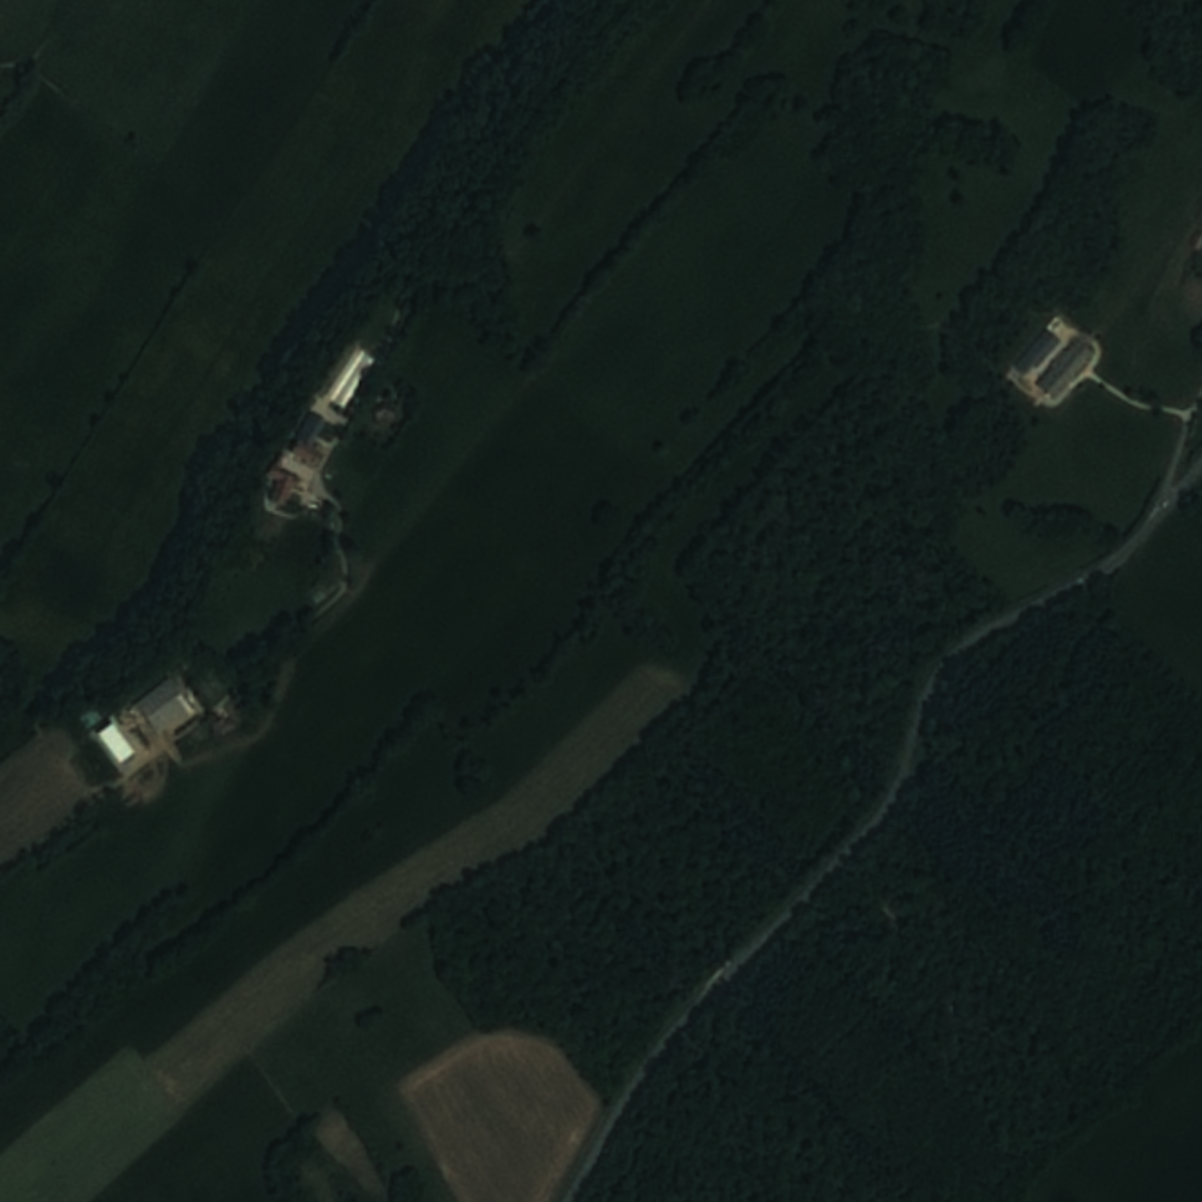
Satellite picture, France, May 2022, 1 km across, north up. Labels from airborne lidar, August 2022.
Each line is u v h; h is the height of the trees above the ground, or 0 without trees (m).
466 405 0
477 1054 0
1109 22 0
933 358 15
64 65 0
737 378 15
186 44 0
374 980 0
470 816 0
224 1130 0
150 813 0
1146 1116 0
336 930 0
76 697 23
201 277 8
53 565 0
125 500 0
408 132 0
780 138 0
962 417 20
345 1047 0
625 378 0
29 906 0
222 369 0
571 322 9
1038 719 17
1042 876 19
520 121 20
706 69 16
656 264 0
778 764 7
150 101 0
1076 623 16
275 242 0
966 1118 11
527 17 6
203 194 0
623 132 0
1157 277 0
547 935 19
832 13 0
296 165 0
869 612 21
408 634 0
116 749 0
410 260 25
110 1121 0
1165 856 8
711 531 19
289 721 0
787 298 0
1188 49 18
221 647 0
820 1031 11
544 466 0
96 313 0
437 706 18
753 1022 20
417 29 0
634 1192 15
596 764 0
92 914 0
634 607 22
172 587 26
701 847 20
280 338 0
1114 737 10
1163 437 0
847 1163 15
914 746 0
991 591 14
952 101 0
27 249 0
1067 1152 14
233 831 0
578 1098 0
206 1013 0
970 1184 12
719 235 0
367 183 0
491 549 0
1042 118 0
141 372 0
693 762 21
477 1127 0
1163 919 16
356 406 16
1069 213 18
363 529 0
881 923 11
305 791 0
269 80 0
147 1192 0
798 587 18
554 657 12
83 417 0
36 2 0
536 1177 0
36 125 0
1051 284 14
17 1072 19
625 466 0
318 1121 6
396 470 0
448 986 14
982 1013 13
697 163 18
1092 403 0
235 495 29
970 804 21
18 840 0
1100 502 0
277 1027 0
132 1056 0
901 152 19
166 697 0
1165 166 0
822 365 17
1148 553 0
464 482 0
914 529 19
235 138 0
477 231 16
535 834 0
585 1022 18
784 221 0
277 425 22
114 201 0
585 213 0
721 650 14
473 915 19
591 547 0
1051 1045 16
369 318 21
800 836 9
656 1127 15
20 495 0
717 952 20
